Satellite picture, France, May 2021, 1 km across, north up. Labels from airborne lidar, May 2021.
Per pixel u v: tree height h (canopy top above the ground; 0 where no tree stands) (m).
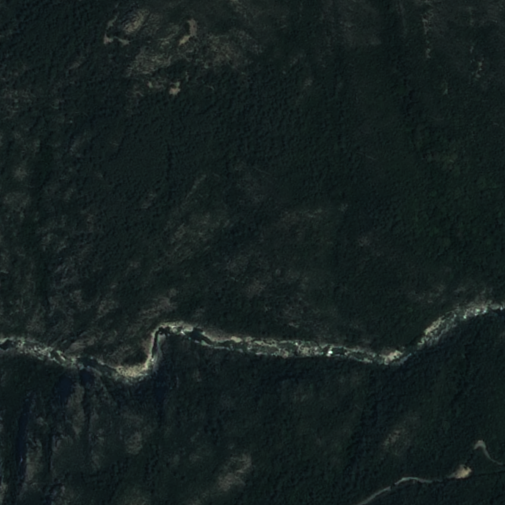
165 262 9
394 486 10
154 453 9
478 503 14
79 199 7
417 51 7
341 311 6
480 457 9
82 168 14
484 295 8
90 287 11
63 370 10
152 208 19
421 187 10
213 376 7
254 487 16
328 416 11
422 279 6
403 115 9
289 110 14
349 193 15
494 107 6
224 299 15
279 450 12
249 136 12
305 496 8
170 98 12
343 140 20
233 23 6
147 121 20
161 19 0
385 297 7
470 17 7
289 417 7
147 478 16
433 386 15
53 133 11
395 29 14
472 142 7
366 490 10
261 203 6
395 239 8
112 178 14
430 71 9
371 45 7
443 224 13
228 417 7
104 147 14
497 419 11
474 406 13
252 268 12
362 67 6
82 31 19
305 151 13
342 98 7
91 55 14
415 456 12
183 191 16
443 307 14
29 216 15
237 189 7
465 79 7
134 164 17
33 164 7
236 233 20
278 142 8
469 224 13
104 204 16
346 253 9
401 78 15
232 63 9
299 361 15
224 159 15
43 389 7
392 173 6
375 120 8
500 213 15
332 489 12
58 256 9
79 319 10
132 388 12
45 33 15
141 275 20
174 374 7
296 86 12
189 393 10
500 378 10
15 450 9
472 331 11
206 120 21
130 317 6
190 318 10
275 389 10
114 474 13
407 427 6
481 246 8
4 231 6
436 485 14
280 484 22
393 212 16
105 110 12
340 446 10
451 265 8
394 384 14
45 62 15
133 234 19
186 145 15
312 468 16
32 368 6
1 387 6
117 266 13
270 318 7
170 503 16
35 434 9
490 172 11
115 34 9
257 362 17
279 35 6
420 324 6
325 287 6
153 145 21
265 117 12
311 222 8
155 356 0
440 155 13
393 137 6
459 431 14
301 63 11
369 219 6
